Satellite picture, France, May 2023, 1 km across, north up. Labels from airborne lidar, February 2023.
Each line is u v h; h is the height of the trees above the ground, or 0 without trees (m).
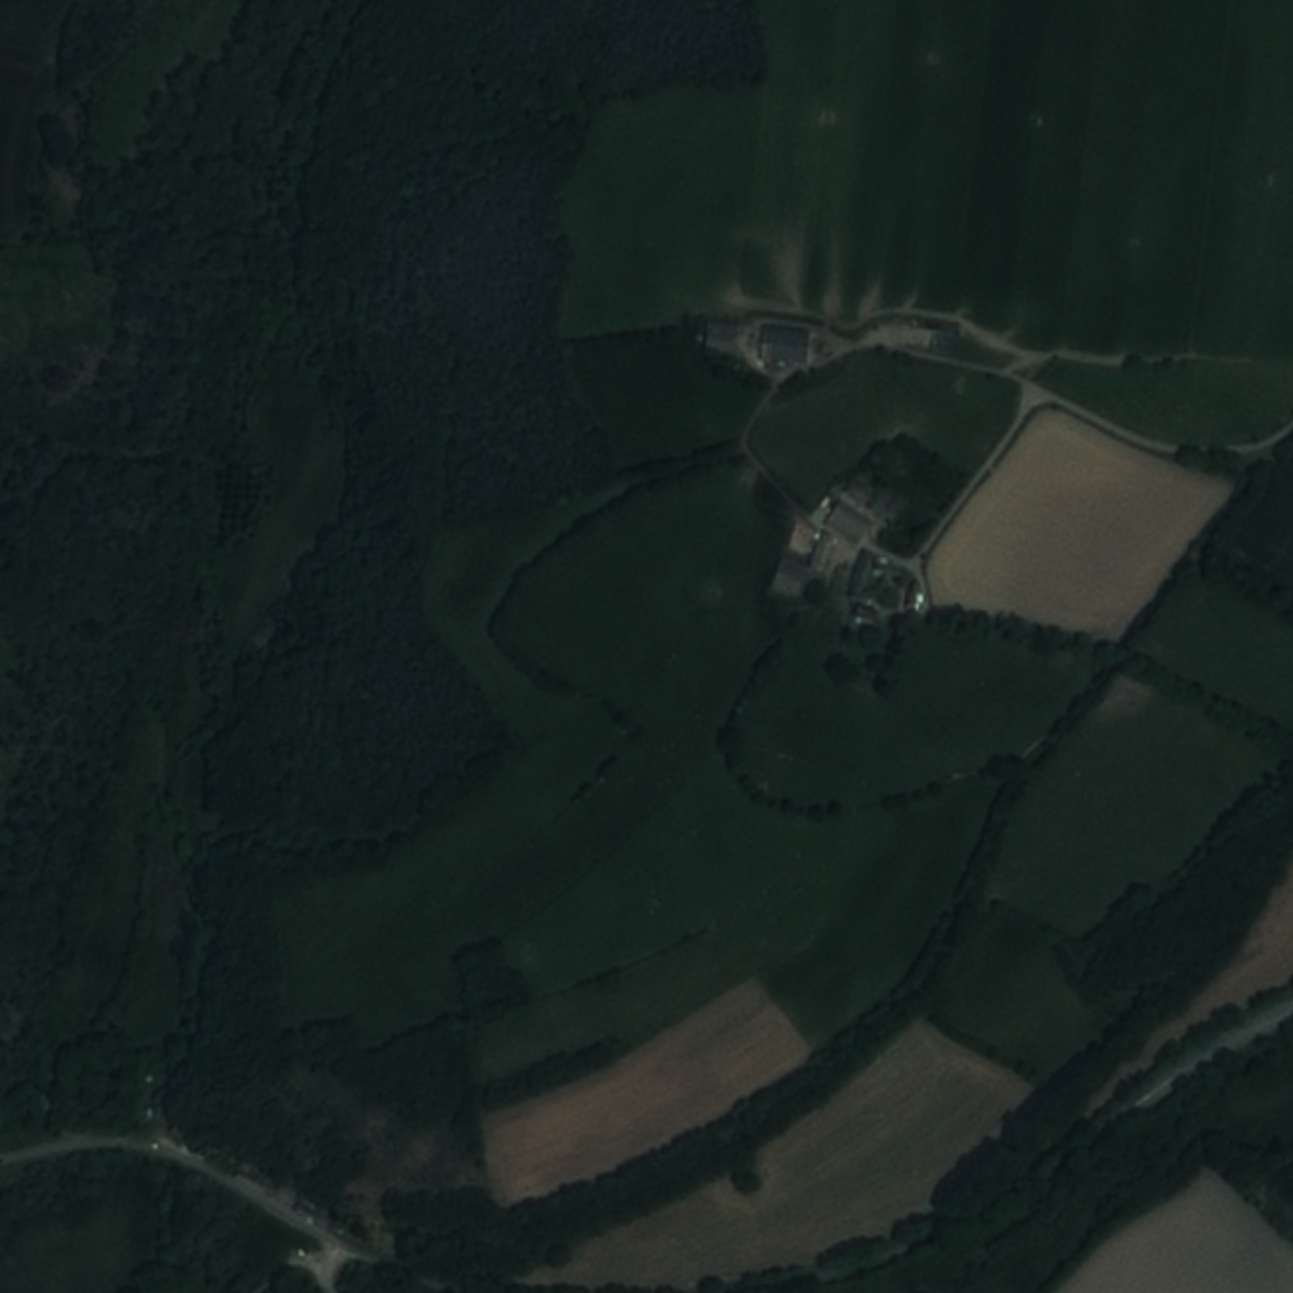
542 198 14
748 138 0
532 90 13
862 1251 20
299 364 10
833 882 0
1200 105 0
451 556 0
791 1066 0
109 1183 0
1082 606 0
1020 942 0
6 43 0
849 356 0
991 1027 0
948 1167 0
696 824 0
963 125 0
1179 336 0
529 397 12
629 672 0
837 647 0
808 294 0
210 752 16
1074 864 0
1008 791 9
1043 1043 0
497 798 0
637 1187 13
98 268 13
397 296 12
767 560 0
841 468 0
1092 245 0
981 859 11
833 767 0
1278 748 17
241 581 0
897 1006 11
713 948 0
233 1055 18
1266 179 0
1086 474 0
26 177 0
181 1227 17
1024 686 0
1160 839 0
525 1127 0
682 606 0
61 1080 11
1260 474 16
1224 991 0
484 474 16
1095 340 0
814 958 0
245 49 19
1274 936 0
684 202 0
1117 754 0
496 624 12
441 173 14
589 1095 0
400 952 0
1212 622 0
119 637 14
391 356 13
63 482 21
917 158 0
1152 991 22
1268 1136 0
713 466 6
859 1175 0
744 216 0
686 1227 0
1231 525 16
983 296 0
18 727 19
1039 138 0
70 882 22
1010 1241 9
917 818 0
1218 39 0
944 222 0
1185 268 0
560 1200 16
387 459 12
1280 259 0
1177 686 14
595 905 0
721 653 0
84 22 17
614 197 0
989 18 0
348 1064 14
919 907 0
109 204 16
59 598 15
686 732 0
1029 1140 28
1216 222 0
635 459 0
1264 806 18
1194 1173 8
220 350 21
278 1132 11
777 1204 0
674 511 0
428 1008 0
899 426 0
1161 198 0
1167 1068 14
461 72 15
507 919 0
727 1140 15
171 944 0
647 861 0
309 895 0
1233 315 0
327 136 21
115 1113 7
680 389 0
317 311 15
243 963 19
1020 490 0
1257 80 0
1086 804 0
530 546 0
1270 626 0
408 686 15
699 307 0
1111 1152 15
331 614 17
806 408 0
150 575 26
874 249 0
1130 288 0
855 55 0
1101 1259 0
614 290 0
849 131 0
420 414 12
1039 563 0
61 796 17
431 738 16
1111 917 7
